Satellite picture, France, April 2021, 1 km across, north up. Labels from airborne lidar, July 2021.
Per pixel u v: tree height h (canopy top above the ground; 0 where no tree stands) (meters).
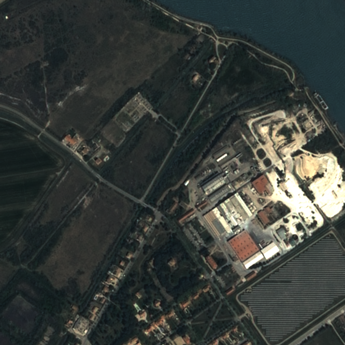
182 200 17
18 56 0
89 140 6
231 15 0
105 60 0
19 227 0
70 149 0
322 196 0
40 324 10
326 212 0
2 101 0
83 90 0
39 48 0
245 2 0
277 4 0
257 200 0
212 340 12
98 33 0
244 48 11
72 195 0
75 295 7
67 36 0
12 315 0
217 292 11
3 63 0
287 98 8
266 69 6
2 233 0
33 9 0
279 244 0
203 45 13
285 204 0
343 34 0
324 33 0
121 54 0
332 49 0
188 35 0
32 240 6
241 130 0
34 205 0
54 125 0
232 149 0
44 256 9
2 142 0
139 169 0
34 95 0
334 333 0
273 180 0
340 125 0
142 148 0
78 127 0
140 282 9
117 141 0
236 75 0
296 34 0
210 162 0
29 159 0
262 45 7
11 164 0
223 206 0
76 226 0
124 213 0
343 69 0
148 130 0
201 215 0
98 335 16
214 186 0
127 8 0
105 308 8
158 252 5
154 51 0
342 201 0
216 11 0
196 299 12
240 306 0
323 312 0
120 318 14
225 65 18
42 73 0
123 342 12
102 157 0
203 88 9
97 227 0
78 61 0
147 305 14
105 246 0
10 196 0
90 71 0
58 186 0
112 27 0
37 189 0
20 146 0
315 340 0
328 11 0
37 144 0
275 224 0
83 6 0
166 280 18
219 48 0
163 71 0
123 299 14
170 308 14
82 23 0
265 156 0
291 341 0
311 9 0
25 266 0
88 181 0
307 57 0
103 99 0
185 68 10
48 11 0
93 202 0
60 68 0
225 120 9
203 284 15
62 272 0
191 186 0
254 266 9
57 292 7
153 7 15
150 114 7
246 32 0
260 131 0
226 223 0
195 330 11
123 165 0
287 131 5
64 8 0
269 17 0
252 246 0
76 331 0
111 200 0
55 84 0
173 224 18
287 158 0
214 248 0
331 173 0
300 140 0
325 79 0
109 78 0
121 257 6
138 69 0
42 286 8
